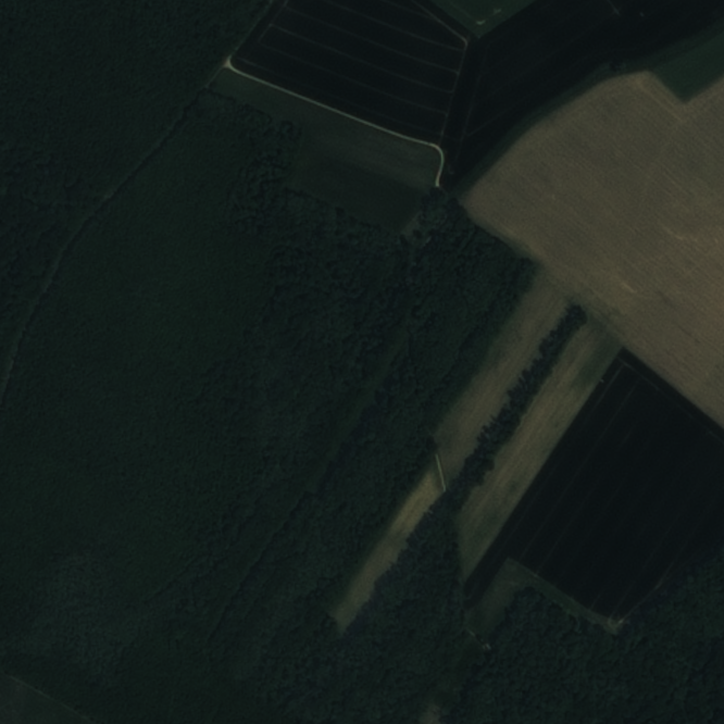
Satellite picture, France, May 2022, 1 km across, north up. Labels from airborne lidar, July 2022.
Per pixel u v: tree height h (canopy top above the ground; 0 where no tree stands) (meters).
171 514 19
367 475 22
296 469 27
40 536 14
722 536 0
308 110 0
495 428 0
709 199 0
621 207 0
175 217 15
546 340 0
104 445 18
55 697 9
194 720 9
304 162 0
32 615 12
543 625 30
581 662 30
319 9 0
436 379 21
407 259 21
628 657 26
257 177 15
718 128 0
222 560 22
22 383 17
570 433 0
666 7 0
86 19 18
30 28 26
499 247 21
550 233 0
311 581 27
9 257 29
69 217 25
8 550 15
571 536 0
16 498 12
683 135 0
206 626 23
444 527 24
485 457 0
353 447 15
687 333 0
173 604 19
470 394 0
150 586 14
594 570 0
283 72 0
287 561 26
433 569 16
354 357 18
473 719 26
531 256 0
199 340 16
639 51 0
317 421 29
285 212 27
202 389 16
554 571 0
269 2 20
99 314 15
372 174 0
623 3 0
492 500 0
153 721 13
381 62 0
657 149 0
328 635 22
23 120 23
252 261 17
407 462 19
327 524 24
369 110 0
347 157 0
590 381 0
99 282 16
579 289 0
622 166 0
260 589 23
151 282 15
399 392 23
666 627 20
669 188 0
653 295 0
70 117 19
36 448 17
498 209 0
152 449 17
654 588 0
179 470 17
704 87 0
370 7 0
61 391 16
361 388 25
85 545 12
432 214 27
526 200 0
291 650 26
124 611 16
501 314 25
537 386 0
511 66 0
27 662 13
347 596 0
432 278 23
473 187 0
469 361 26
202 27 23
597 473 0
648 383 0
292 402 26
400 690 24
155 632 17
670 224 0
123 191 14
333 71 0
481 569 0
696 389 0
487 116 0
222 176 17
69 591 16
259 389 25
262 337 20
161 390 17
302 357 27
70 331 16
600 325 0
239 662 21
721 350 0
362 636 28
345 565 20
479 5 0
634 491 0
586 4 0
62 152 17
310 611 24
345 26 0
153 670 14
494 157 0
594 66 0
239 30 17
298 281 25
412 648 27
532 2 0
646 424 0
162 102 20
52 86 21
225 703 11
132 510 13
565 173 0
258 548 22
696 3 0
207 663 15
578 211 0
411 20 0
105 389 18
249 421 29
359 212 0
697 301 0
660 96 0
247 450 18
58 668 15
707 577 23
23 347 14
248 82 0
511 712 31
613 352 0
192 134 16
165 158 16
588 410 0
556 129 0
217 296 17
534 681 28
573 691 25
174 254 15
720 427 0
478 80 0
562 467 0
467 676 0
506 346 0
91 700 14
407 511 0
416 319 21
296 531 23
